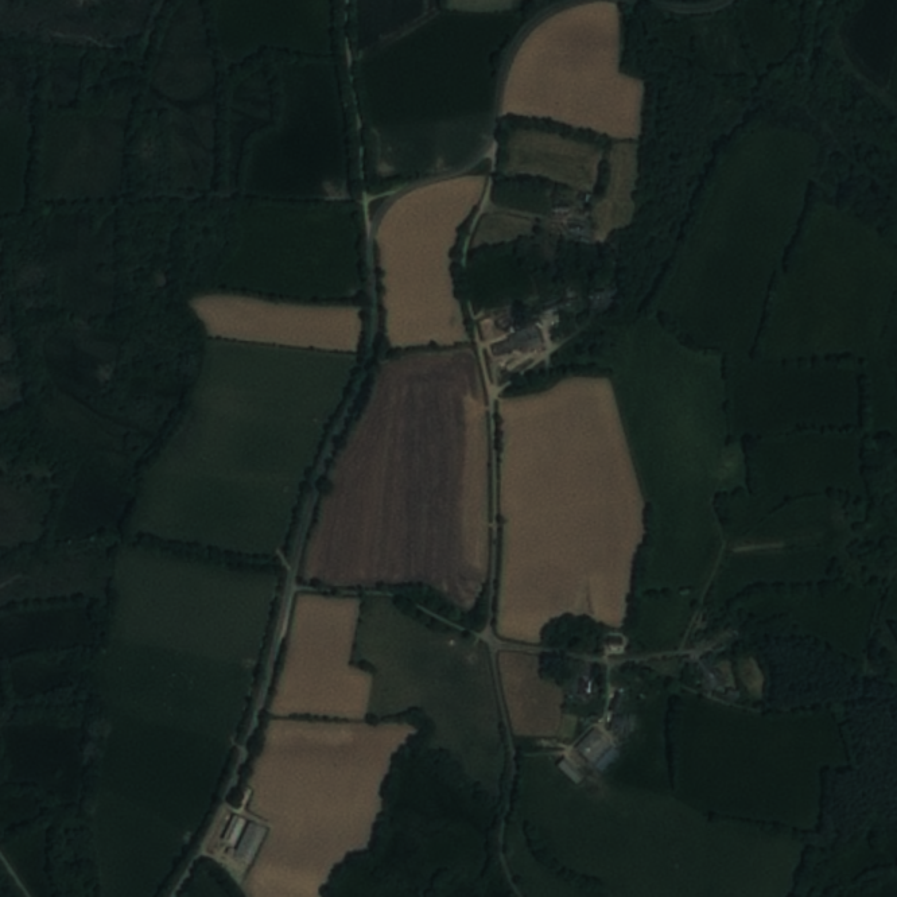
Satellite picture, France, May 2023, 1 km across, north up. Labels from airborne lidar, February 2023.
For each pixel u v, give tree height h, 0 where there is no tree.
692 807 0
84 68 6
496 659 0
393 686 0
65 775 0
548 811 0
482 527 0
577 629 13
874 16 0
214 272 8
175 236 12
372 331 0
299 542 0
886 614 0
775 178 0
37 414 7
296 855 0
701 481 0
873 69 0
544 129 11
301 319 0
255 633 0
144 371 9
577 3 0
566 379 12
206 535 0
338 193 0
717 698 7
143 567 0
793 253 14
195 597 0
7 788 14
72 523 0
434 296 0
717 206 0
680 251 0
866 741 22
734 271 0
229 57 0
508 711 0
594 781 0
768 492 0
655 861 0
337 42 7
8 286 8
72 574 0
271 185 0
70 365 0
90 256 0
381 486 0
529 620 0
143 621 0
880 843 18
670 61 11
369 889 0
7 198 0
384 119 0
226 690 0
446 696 0
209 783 0
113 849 0
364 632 0
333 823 0
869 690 21
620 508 0
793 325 0
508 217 0
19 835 15
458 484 0
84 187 0
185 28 0
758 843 0
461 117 0
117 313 11
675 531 0
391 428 0
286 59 15
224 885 14
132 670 0
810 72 7
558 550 0
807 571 0
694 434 0
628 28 12
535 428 0
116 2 0
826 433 8
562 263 8
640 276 6
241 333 0
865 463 14
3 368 6
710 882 0
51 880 12
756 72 9
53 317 8
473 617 13
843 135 9
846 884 8
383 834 17
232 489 0
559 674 21
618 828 0
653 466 0
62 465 7
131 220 10
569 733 0
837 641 0
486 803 10
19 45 11
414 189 0
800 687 22
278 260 0
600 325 0
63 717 12
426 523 0
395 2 0
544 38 0
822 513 0
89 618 12
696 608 9
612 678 0
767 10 0
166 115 9
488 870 10
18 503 0
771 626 8
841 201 16
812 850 13
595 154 0
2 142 0
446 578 0
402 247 0
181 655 0
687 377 0
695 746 0
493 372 0
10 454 6
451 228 0
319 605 0
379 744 0
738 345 0
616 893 0
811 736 0
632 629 12
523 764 10
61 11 0
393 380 0
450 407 0
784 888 0
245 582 0
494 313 0
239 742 6
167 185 7
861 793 20
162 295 8
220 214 7
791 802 0
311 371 0
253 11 0
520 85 0
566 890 0
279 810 0
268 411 0
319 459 7
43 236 6
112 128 0
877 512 9
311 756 0
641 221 7
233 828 0
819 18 8
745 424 0
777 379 0
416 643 0
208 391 0
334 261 0
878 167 18
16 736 0
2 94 0
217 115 11
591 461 0
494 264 0
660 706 0
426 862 0
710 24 0
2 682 10
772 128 0
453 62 0
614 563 0
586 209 9
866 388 17
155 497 0
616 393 0
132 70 12
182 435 0
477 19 0
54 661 6
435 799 0
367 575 0
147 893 0
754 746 0
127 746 0
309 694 0
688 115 12
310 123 0
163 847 0
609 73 0
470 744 0
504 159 9
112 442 0
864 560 10
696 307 0
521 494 0
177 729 0
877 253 0
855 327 0
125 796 0
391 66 0
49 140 0
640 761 0
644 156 14
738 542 0
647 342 0
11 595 0
